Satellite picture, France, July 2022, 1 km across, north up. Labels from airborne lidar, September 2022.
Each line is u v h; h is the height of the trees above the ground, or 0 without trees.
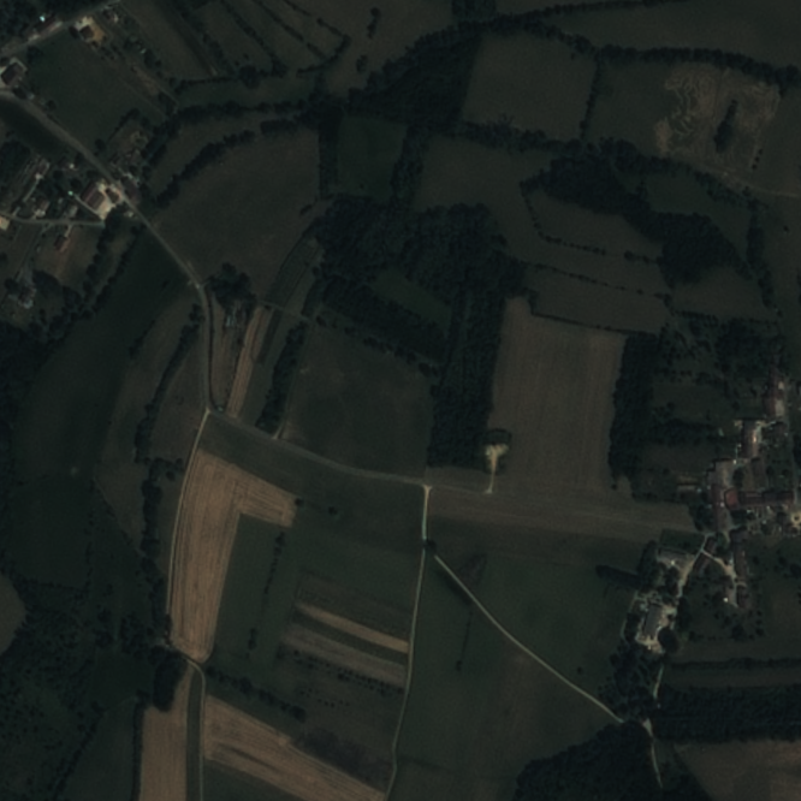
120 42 0
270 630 0
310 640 0
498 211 0
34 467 0
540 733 0
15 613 0
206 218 0
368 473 0
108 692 0
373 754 0
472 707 0
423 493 0
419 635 0
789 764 0
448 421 13
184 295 0
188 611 0
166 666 17
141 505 0
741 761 0
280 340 0
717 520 0
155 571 13
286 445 0
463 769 0
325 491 0
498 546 0
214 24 0
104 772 0
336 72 0
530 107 0
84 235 0
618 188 22
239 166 0
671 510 0
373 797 0
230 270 12
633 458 11
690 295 0
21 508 0
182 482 0
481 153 0
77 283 0
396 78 13
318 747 0
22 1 5
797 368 0
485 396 18
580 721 0
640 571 10
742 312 0
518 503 0
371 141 0
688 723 16
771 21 0
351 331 11
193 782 0
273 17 6
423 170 14
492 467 0
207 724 0
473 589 0
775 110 0
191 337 15
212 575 0
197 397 0
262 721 0
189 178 11
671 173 16
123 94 0
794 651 0
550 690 0
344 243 18
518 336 0
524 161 0
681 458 0
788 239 0
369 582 0
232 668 0
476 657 0
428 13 0
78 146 0
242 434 0
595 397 0
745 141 0
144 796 0
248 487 0
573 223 0
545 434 0
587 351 0
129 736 0
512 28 23
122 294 0
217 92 0
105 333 0
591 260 0
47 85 0
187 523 0
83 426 0
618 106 0
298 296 0
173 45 0
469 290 22
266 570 0
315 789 0
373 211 18
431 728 0
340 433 0
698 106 0
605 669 0
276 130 18
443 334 13
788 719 15
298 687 0
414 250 12
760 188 0
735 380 6
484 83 0
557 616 0
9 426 29
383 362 0
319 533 0
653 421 14
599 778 23
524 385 0
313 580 0
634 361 15
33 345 8
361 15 0
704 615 0
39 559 0
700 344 11
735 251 16
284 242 0
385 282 0
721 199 14
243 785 0
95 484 9
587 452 0
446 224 8
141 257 0
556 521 0
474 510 0
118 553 0
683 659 0
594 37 0
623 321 0
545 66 0
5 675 11
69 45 0
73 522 0
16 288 14
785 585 0
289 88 0
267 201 0
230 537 0
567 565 0
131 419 0
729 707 12
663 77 0
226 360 0
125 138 0
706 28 0
